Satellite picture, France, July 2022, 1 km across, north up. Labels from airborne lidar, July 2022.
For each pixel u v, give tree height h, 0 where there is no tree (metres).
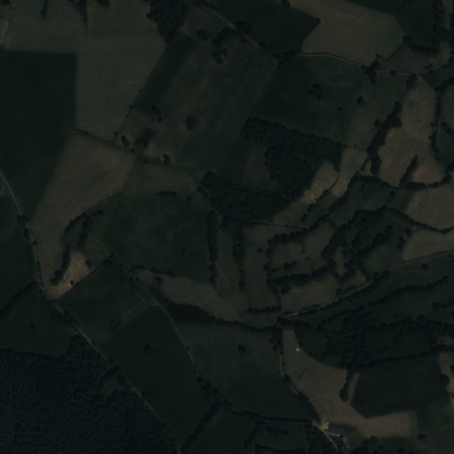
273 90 0
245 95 0
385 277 17
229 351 0
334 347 0
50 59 0
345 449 0
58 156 0
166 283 0
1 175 0
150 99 0
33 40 0
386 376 0
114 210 0
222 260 0
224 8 0
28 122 0
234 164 0
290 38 0
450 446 0
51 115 0
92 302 0
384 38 0
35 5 0
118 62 0
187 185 0
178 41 0
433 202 0
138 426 19
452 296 0
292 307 0
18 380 21
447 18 0
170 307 8
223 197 10
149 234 0
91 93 0
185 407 0
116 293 0
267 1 0
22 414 18
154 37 0
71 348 14
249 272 0
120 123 0
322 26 0
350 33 0
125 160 0
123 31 0
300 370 0
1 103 0
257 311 13
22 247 0
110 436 26
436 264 0
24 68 0
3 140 0
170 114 0
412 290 18
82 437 23
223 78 0
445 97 0
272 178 14
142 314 0
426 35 0
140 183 0
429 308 0
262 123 17
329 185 0
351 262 13
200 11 0
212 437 0
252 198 9
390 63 0
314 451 20
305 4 0
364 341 15
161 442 19
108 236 0
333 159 10
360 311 14
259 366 0
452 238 0
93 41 0
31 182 0
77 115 0
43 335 0
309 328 12
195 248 0
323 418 0
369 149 13
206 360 0
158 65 0
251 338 0
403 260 0
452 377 0
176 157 0
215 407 17
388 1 0
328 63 0
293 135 18
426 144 0
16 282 0
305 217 12
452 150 0
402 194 0
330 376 0
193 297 0
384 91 0
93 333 0
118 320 0
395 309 0
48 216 0
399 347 0
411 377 0
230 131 0
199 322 8
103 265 9
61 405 25
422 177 0
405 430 0
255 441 12
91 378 23
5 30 0
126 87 0
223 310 0
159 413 0
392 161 0
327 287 0
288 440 0
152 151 0
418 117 0
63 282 0
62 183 0
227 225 19
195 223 0
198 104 0
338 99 0
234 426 0
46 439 21
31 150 0
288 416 0
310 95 13
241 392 0
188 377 0
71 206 0
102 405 20
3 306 0
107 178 0
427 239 0
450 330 18
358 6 0
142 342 0
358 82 0
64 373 21
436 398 0
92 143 0
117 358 0
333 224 11
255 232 0
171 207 0
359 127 0
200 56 0
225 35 22
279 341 13
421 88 0
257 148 0
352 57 0
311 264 0
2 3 9
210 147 0
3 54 0
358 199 0
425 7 0
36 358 20
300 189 15
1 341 0
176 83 0
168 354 0
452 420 0
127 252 0
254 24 0
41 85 0
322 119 0
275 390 0
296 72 0
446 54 0
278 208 15
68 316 16
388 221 0
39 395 19
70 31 0
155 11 12
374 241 12
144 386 0
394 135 0
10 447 17
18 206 0
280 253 0
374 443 13
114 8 0
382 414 0
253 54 0
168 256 0
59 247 0
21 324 0
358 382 0
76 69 0
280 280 16
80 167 0
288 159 13
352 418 0
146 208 0
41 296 11
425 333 8
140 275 0
